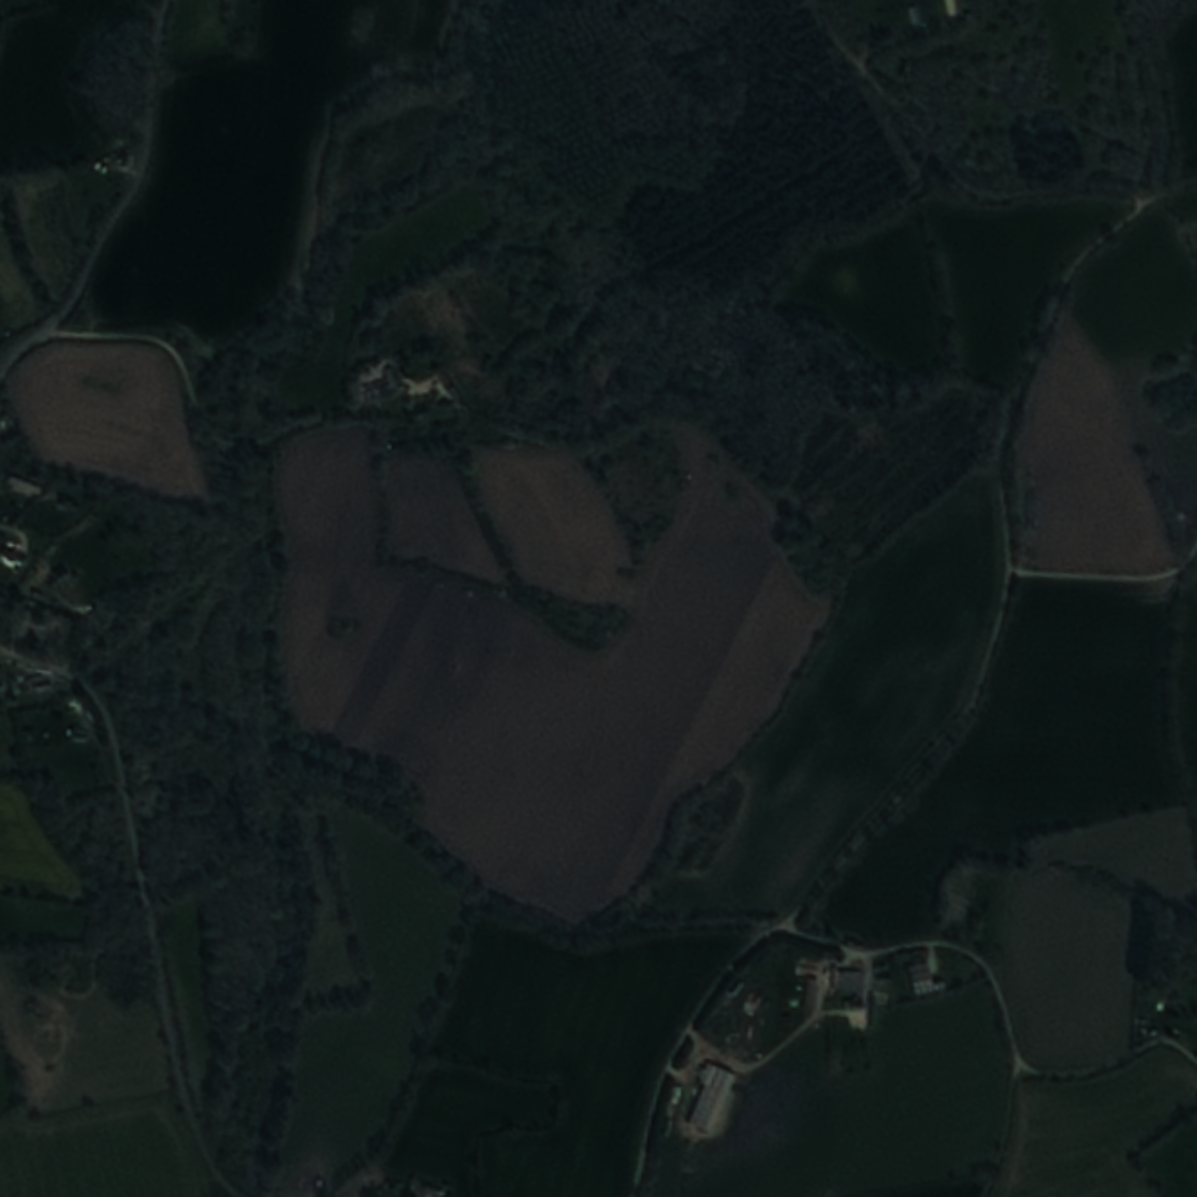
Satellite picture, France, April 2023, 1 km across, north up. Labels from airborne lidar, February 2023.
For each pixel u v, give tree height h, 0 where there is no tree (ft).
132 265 0
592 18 110
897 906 0
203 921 52
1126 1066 23
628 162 139
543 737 0
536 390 37
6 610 44
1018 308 0
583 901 0
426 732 0
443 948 0
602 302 59
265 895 78
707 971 0
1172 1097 0
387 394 34
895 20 0
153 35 45
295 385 0
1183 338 0
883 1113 0
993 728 0
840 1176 0
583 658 0
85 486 34
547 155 116
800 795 0
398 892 0
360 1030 0
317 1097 0
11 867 0
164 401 0
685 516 0
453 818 0
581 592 0
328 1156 0
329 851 69
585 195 132
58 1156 0
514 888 0
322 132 0
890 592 0
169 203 0
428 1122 0
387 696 0
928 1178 0
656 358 83
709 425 49
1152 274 0
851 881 0
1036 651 0
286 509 0
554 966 0
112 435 0
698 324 64
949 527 0
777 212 71
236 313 0
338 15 0
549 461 0
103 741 29
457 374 0
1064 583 0
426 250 0
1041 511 0
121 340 0
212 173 0
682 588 0
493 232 20
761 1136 0
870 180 52
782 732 0
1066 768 0
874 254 0
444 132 25
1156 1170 0
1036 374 34
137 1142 0
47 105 0
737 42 52
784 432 58
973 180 36
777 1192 0
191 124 0
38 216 0
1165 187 44
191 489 0
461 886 49
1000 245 0
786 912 0
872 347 0
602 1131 0
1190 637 0
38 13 23
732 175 64
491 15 51
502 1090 0
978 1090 0
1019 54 24
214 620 28
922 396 28
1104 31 0
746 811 0
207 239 0
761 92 59
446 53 25
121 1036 0
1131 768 0
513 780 0
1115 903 0
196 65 0
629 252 32
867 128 49
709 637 0
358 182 0
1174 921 81
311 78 0
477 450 0
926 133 38
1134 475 0
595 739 0
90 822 26
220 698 42
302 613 0
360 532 0
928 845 0
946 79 25
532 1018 0
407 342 0
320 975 0
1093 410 0
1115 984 0
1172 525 39
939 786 0
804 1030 0
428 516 0
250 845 93
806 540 54
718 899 0
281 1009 58
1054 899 0
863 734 0
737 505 0
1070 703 0
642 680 0
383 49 0
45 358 0
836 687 0
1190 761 0
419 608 0
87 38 0
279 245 0
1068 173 54
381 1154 43
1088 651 0
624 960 0
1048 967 0
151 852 45
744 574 0
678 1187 0
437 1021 42
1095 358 0
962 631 0
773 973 0
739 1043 0
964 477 27
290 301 37
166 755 50
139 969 41
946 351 37
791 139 58
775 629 0
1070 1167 0
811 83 66
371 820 49
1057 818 0
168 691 73
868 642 0
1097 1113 0
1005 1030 34
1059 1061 0
